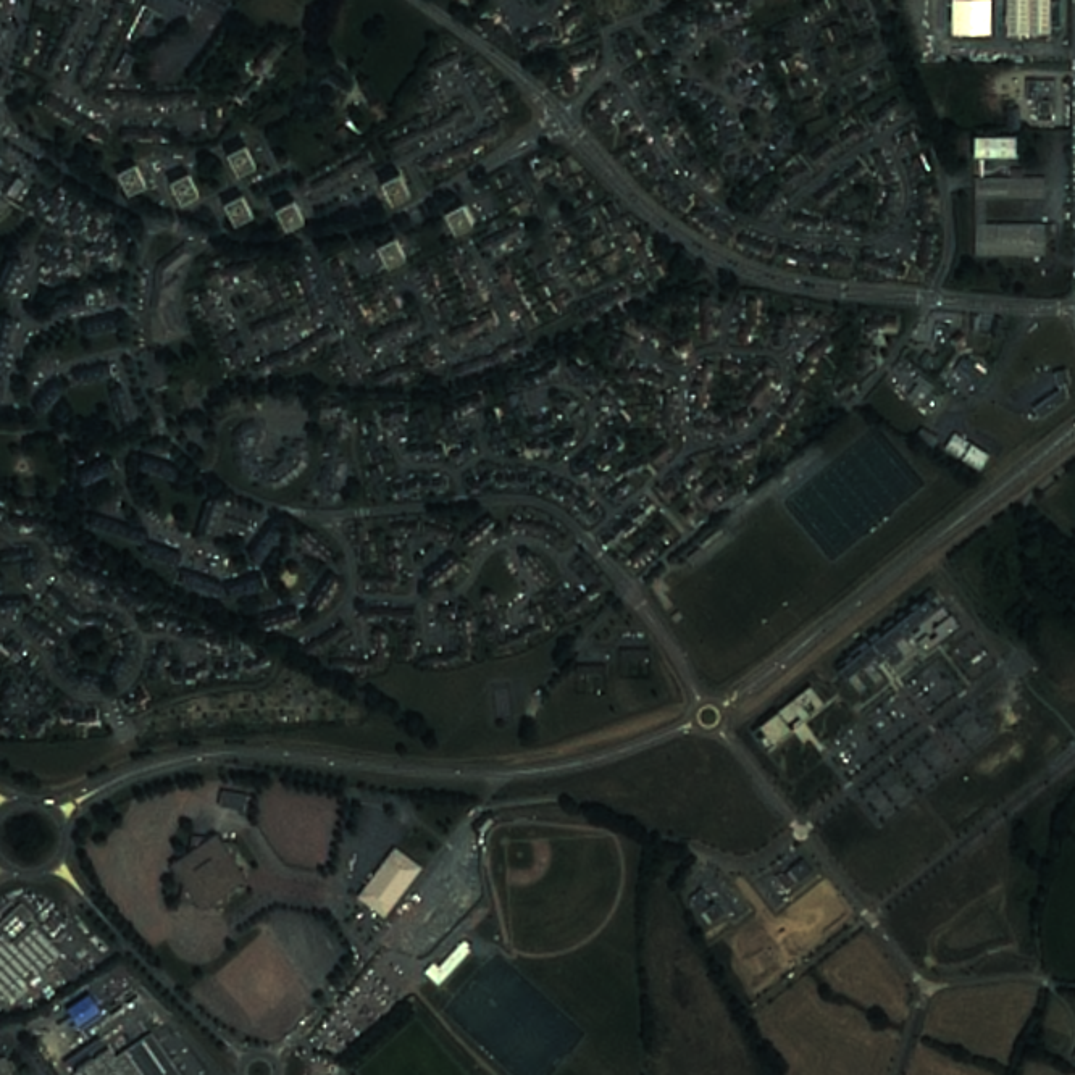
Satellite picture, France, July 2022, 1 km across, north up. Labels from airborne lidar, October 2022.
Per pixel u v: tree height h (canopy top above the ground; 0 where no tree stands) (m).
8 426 18
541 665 0
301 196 0
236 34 17
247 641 16
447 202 19
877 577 0
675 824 0
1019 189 0
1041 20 0
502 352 0
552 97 0
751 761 0
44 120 0
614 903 0
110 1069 0
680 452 0
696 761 0
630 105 0
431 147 0
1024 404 0
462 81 0
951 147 12
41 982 0
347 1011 0
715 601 0
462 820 0
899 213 0
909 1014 0
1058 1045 0
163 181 0
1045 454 0
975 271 14
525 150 0
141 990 0
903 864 0
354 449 0
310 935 0
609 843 0
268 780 15
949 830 0
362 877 0
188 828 14
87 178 18
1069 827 7
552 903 0
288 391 16
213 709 0
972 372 0
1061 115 0
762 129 0
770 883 0
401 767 0
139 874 0
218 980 0
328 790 13
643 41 7
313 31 22
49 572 0
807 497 0
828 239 0
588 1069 0
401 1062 0
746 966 0
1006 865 0
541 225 14
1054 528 19
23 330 0
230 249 15
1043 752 0
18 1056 8
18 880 0
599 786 0
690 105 9
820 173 0
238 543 11
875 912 0
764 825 0
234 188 0
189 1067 0
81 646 13
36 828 7
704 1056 0
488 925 0
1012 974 0
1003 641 0
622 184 0
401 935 0
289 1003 0
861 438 0
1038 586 13
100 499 14
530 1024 0
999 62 10
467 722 0
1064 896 0
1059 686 0
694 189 0
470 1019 0
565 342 19
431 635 0
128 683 0
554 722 0
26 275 0
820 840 0
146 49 19
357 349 0
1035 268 0
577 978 0
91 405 0
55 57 0
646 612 0
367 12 0
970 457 0
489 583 0
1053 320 0
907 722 0
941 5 0
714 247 0
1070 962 0
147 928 0
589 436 0
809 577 0
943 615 0
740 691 0
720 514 7
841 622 0
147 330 0
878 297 0
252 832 0
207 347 6
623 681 0
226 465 0
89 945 0
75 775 0
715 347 0
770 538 0
